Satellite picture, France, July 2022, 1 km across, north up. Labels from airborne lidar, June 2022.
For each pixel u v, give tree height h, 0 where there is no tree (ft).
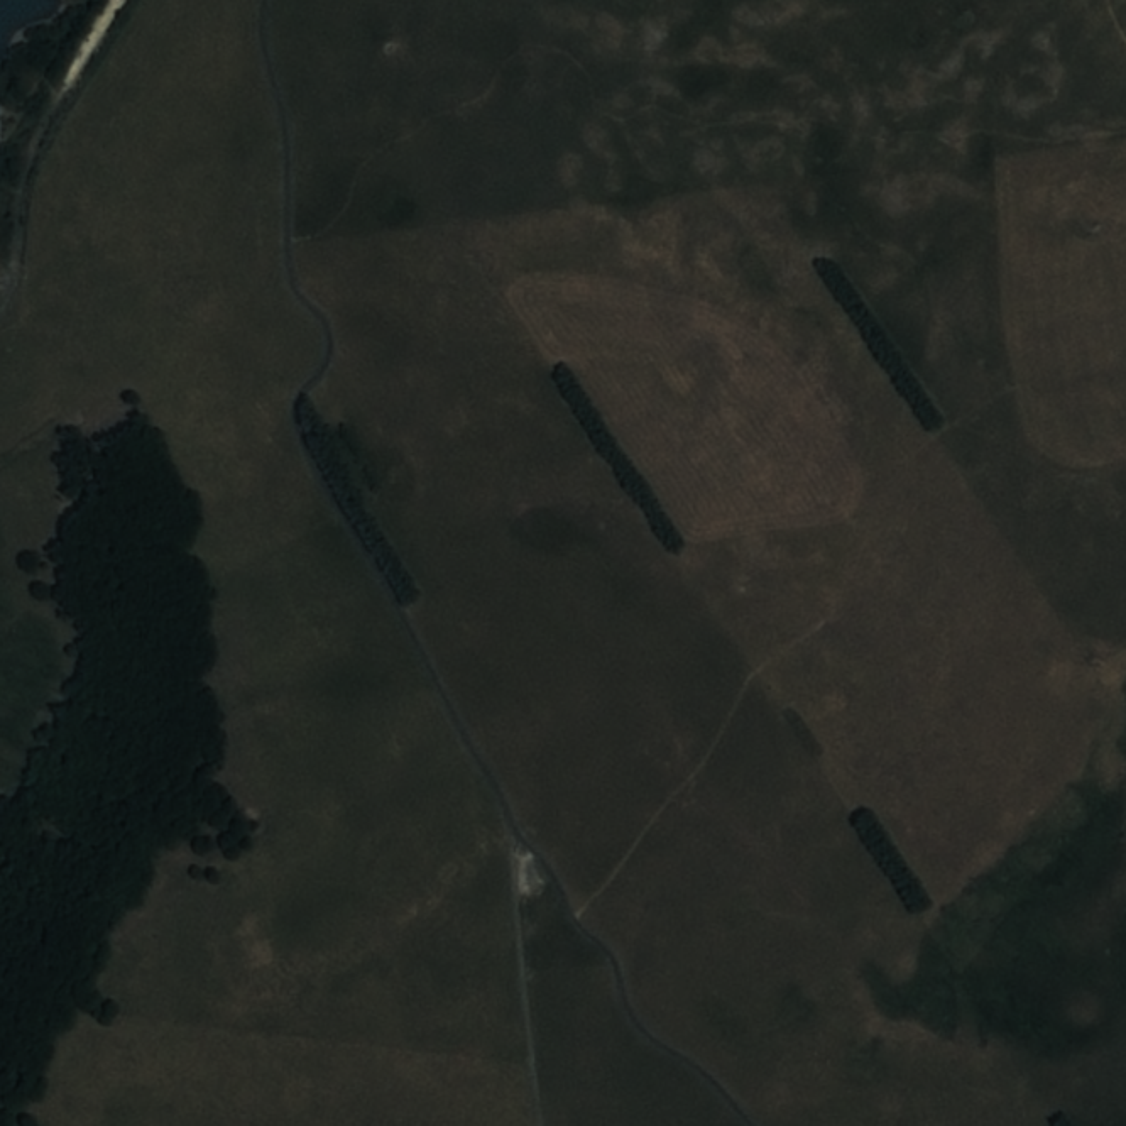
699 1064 0
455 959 0
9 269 0
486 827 0
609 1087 0
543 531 0
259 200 0
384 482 0
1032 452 0
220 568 0
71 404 0
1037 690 0
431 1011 0
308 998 0
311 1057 0
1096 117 0
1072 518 0
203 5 0
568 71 0
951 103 0
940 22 0
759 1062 0
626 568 0
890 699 0
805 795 0
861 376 0
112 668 52
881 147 0
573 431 0
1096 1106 0
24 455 0
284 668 0
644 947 0
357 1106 0
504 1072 0
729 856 0
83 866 50
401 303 0
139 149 0
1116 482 0
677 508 0
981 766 0
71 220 0
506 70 0
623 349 0
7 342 0
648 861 0
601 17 0
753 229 0
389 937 0
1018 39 0
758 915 0
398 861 0
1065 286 0
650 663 0
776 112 0
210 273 0
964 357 0
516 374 0
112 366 0
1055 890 0
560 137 0
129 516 54
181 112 0
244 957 0
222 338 0
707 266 0
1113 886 0
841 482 0
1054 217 0
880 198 0
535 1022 0
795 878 0
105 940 31
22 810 61
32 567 51
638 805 0
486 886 0
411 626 0
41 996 50
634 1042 0
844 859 0
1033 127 0
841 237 0
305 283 0
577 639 0
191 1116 0
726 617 0
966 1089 0
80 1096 0
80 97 0
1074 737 0
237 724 0
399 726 0
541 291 0
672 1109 0
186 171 0
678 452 0
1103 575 0
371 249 0
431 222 0
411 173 0
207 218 0
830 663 0
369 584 0
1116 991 0
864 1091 0
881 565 0
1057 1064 0
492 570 0
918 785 0
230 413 0
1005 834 0
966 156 0
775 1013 0
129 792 43
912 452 0
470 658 0
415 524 0
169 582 47
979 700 0
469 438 0
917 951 0
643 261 0
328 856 0
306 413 56
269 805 0
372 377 0
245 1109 0
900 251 0
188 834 35
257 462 0
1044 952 0
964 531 0
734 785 0
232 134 0
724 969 0
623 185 0
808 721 0
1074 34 0
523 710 0
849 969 0
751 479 0
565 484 0
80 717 51
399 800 0
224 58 0
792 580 0
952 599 0
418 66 0
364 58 0
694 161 0
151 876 42
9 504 0
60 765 33
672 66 0
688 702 0
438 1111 0
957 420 0
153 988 0
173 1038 0
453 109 0
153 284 0
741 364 0
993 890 0
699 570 0
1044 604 0
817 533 0
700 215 0
